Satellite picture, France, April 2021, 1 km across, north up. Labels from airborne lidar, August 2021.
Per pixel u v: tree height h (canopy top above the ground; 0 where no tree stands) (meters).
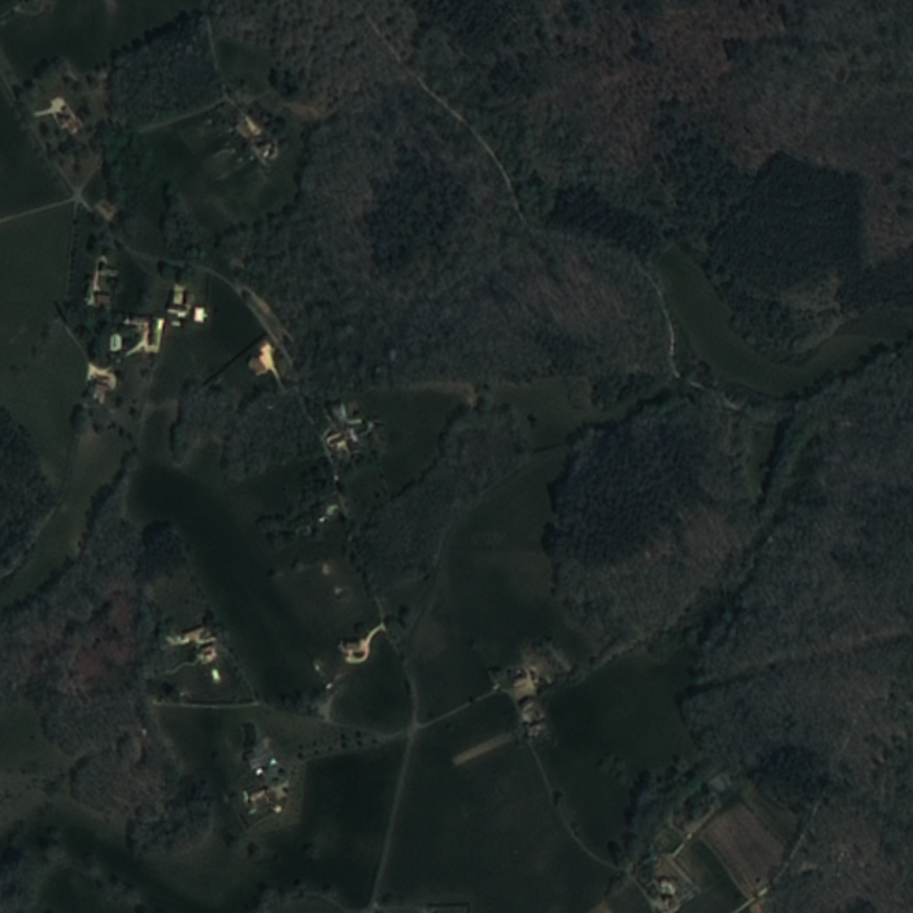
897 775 7
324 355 9
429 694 0
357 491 0
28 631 19
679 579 23
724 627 14
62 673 15
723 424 15
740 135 8
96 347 16
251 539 0
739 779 14
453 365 21
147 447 0
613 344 14
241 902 0
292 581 0
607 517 25
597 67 6
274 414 21
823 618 15
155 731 14
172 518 0
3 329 0
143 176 9
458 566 0
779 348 11
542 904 0
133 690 14
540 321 20
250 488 0
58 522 0
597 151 12
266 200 0
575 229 20
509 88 27
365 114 19
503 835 0
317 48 8
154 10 0
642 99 7
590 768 0
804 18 18
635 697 0
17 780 0
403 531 18
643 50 25
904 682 20
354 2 10
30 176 0
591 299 17
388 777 0
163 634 8
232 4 10
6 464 27
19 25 0
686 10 13
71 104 0
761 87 17
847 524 17
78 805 17
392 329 16
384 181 23
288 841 0
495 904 0
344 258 22
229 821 0
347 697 0
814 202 13
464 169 24
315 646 0
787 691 19
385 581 13
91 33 0
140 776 19
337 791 0
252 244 9
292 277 18
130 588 22
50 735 19
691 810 11
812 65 16
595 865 0
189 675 0
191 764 0
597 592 20
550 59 23
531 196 23
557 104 10
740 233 17
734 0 7
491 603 0
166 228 15
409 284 18
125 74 20
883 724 18
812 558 19
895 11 14
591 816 0
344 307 17
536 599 0
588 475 20
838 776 17
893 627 19
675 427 18
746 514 24
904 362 18
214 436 19
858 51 16
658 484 25
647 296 21
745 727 25
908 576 20
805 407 19
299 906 0
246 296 11
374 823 0
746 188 17
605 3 16
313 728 0
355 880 0
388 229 28
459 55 22
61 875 0
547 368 19
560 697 0
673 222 14
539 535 0
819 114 12
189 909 0
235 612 0
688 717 21
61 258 0
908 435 21
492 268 21
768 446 0
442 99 19
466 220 24
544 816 0
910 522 18
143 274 0
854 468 18
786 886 14
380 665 0
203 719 0
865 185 13
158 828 11
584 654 0
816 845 18
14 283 0
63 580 19
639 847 18
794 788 27
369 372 13
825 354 0
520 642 0
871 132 19
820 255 15
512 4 14
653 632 18
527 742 9
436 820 0
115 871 0
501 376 23
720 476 16
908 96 19
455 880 0
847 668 17
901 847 19
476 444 15
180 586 0
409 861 0
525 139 17
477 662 0
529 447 10
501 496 0
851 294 15
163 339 0
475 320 17
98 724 21
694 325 0
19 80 0
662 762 0
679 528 26
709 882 0
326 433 14
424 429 0
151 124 14
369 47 17
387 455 0
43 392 0
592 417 0
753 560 19
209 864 0
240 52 0
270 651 0
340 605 0
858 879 17
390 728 0
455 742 0
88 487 0
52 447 0
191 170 0
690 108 7
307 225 14
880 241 13
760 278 16
